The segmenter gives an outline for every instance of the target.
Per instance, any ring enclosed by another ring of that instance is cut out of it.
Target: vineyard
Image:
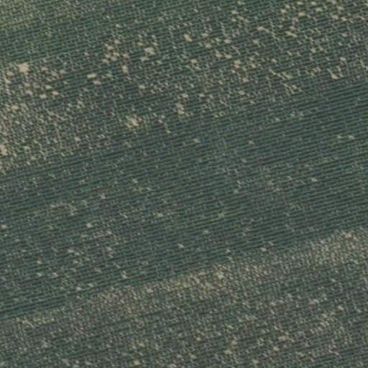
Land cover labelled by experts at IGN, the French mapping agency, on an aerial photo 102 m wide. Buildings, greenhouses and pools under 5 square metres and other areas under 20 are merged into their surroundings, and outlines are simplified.
[[[0,0],[0,368],[368,368],[368,0]]]

